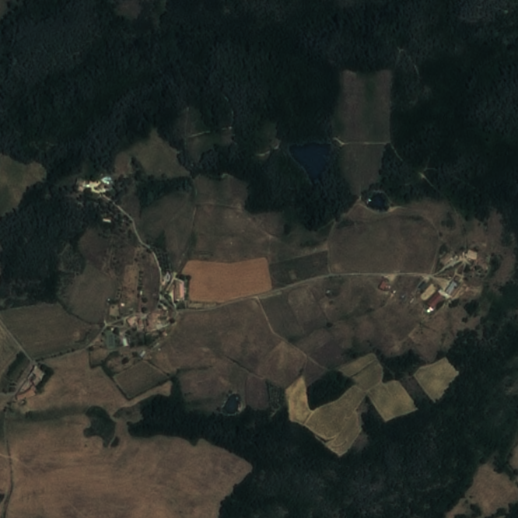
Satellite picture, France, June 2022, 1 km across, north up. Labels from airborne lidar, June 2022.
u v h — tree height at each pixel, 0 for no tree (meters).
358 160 0
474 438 11
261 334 0
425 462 7
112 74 8
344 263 0
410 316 0
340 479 8
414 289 0
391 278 0
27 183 0
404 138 6
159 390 0
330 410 0
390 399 0
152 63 19
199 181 0
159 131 8
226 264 0
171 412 17
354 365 0
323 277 0
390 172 16
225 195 0
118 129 16
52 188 21
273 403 6
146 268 0
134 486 0
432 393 0
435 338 0
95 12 14
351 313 0
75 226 9
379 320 0
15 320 0
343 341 0
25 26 15
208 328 0
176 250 0
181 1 14
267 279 0
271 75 13
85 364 0
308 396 9
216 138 0
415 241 0
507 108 12
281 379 0
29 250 9
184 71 14
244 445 14
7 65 10
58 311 0
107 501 0
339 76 7
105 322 0
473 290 0
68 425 0
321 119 9
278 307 0
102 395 0
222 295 0
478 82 7
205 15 15
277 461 7
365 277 0
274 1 11
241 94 17
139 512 0
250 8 6
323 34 18
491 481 0
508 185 17
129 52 16
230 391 8
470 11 10
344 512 15
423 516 12
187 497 0
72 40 7
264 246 0
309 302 0
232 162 10
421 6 13
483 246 0
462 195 9
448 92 11
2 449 0
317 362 0
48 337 0
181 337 0
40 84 16
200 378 0
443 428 13
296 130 14
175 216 0
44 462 0
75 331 0
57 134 12
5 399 0
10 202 0
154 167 0
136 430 11
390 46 11
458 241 0
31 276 8
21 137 7
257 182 9
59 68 12
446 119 13
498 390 6
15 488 0
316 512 6
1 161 0
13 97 7
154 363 0
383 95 0
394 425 13
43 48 9
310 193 19
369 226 0
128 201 0
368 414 8
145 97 19
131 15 0
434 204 0
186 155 9
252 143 15
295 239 0
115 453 0
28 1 22
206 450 0
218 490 0
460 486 8
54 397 0
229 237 0
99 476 0
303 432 6
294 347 0
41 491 0
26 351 0
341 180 15
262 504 11
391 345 0
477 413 8
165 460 0
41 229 15
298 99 15
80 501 0
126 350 0
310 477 8
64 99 15
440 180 14
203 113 11
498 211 8
